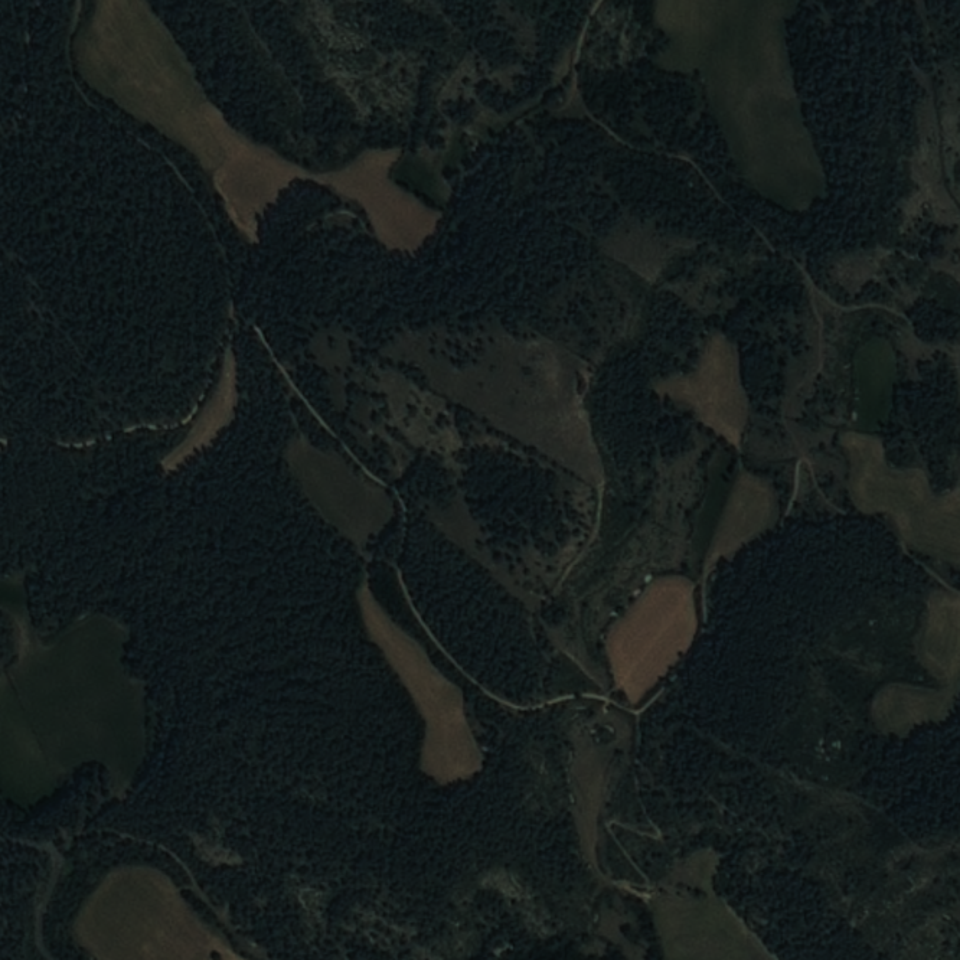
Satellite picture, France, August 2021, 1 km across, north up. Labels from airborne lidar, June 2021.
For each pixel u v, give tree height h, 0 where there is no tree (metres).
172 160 10
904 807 10
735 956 0
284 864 10
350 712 8
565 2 10
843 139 11
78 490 16
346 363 0
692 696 9
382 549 11
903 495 0
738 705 17
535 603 0
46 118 13
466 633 14
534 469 8
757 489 0
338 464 0
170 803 16
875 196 9
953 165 0
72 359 15
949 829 12
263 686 15
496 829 10
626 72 11
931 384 10
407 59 0
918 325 17
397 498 6
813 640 8
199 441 0
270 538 14
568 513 7
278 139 7
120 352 12
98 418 9
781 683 10
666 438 13
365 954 14
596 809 0
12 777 0
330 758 10
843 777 0
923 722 0
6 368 12
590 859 0
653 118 6
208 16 15
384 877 13
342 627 14
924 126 0
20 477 12
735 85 0
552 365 0
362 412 0
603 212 9
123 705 0
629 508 9
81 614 11
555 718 9
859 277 0
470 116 15
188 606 14
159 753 15
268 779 9
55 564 17
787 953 11
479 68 7
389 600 8
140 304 13
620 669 0
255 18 11
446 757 0
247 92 17
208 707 16
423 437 0
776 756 10
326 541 12
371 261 16
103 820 9
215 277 15
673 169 5
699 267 7
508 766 12
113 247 9
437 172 0
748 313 18
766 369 18
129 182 13
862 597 8
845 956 12
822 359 0
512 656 9
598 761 0
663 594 0
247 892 12
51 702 0
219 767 9
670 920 0
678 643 0
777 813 8
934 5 10
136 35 0
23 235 13
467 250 22
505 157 14
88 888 6
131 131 9
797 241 11
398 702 10
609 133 7
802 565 15
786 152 0
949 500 0
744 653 17
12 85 9
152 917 0
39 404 10
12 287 16
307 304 13
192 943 0
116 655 0
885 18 11
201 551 12
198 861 12
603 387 6
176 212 12
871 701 7
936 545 0
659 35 7
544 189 12
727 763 9
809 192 0
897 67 10
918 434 7
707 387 0
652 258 0
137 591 17
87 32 0
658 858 8
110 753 0
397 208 0
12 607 0
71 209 8
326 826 14
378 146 12
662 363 12
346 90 0
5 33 10
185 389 13
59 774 0
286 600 13
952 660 0
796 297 10
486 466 9
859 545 10
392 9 12
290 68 14
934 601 0
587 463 0
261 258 17
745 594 12
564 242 12
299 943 12
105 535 14
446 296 14
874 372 0
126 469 16
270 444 10
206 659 13
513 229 14
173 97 0
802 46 11
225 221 18
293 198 17
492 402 0
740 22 0
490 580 8
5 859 13
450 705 0
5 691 0
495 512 18
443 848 12
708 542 0
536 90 20
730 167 10
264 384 13
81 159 15
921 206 0
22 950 10
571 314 8
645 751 7
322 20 0
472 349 7
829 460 0
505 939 15
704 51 0
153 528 14
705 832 8
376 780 9
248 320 12
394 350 0
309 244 9
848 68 10
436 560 8
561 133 7
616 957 13
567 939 9
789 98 0
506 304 13
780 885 12
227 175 0
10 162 14
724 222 9
